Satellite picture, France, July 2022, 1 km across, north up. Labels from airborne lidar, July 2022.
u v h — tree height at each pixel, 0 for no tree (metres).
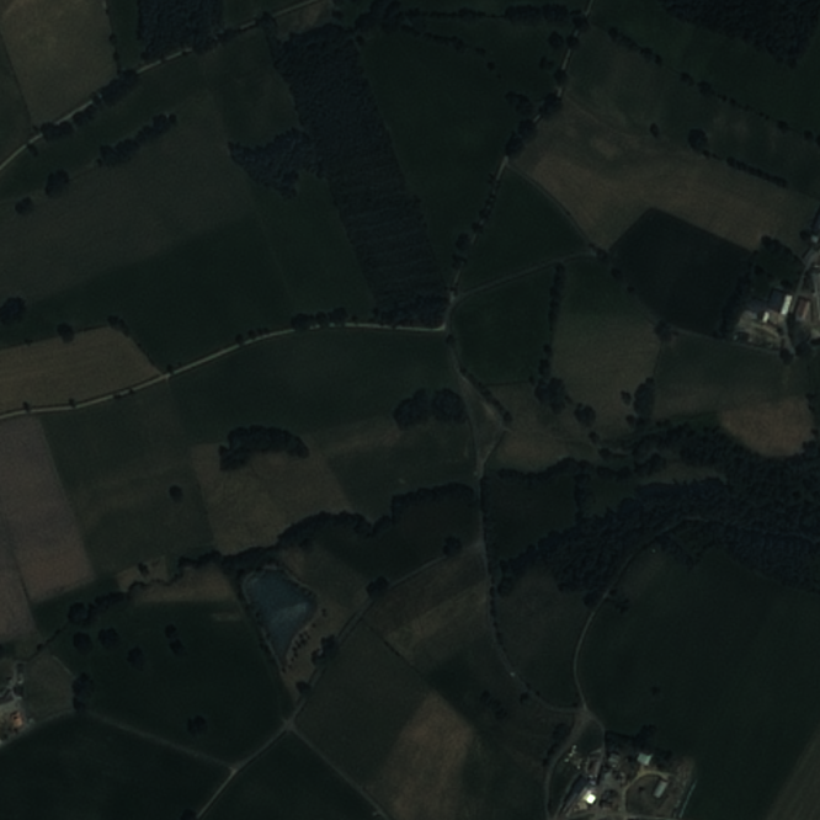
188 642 0
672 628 0
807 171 0
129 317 0
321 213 0
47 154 0
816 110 0
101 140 0
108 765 0
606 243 0
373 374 0
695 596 0
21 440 0
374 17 15
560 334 0
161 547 0
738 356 0
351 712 0
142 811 0
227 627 0
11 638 0
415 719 0
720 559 0
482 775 0
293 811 0
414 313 16
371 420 0
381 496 0
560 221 0
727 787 0
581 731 0
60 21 0
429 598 0
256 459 0
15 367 0
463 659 0
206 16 22
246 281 0
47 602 0
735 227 0
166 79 0
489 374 0
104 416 0
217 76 0
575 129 0
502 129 0
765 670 0
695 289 0
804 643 0
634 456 11
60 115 0
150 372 0
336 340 0
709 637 0
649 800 0
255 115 0
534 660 0
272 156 22
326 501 0
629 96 0
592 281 0
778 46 20
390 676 0
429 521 0
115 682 0
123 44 0
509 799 0
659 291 0
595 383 0
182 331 0
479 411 0
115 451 0
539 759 0
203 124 0
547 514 0
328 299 0
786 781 0
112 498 0
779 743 0
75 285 0
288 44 11
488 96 0
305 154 23
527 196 0
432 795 0
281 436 17
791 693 0
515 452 0
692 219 0
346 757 0
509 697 0
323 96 12
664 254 0
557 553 21
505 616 0
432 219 0
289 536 15
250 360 0
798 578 28
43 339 0
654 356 0
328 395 0
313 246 0
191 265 0
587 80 0
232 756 0
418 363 0
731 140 0
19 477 0
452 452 0
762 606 0
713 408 0
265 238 0
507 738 0
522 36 0
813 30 14
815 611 0
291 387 0
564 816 0
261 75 0
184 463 0
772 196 0
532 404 0
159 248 0
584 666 0
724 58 0
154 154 0
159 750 0
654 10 0
